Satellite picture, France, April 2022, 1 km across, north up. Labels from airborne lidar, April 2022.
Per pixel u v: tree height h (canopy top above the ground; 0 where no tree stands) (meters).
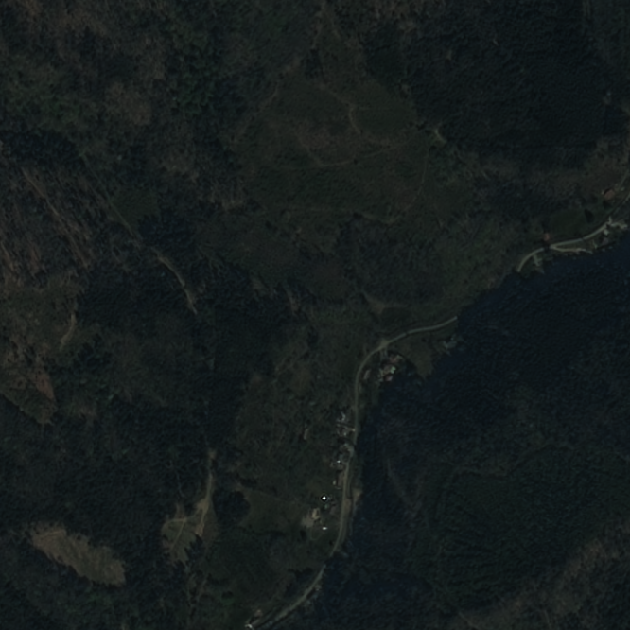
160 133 13
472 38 27
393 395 32
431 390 20
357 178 6
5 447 22
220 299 28
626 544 17
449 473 10
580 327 21
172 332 22
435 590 20
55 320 6
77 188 13
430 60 28
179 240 38
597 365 25
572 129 16
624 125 19
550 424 21
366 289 16
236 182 30
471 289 15
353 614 18
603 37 20
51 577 32
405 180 6
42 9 22
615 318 20
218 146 29
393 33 13
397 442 27
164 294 28
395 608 26
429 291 26
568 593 19
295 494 19
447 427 23
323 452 7
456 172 24
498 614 17
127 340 14
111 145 18
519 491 8
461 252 20
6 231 37
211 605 22
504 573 7
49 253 33
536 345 24
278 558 17
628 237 6
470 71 29
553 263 0
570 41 22
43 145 35
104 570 0
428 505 10
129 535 25
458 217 17
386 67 14
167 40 23
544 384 21
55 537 0
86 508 29
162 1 19
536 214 26
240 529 8
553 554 7
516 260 22
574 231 0
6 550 29
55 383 18
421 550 10
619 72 18
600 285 21
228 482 29
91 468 26
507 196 29
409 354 0
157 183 36
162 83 18
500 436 24
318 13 18
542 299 22
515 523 10
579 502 9
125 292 31
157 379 23
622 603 21
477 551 8
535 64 24
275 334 22
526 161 23
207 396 18
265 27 27
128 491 27
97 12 23
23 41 16
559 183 27
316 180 6
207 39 17
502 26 31
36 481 27
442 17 24
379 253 28
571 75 24
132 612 19
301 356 12
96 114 13
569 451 13
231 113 28
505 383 30
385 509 27
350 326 13
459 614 17
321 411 10
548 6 36
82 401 22
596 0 20
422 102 31
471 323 24
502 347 22
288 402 20
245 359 21
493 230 10
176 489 28
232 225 9
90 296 26
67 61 20
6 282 36
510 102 33
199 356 20
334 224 7
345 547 0
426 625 25
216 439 24
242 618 0
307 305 12
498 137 12
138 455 30
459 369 24
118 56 24
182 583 30
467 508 9
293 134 0
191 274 15
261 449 7
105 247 33
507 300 32
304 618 13
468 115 27
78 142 19
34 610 12
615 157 19
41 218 35
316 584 0
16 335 13
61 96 13
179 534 0
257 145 6
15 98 15
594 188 6
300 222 6
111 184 30
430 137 13
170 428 27
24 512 31
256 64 15
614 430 13
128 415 30
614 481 10
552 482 9
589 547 7
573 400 25
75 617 25
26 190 36
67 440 29
